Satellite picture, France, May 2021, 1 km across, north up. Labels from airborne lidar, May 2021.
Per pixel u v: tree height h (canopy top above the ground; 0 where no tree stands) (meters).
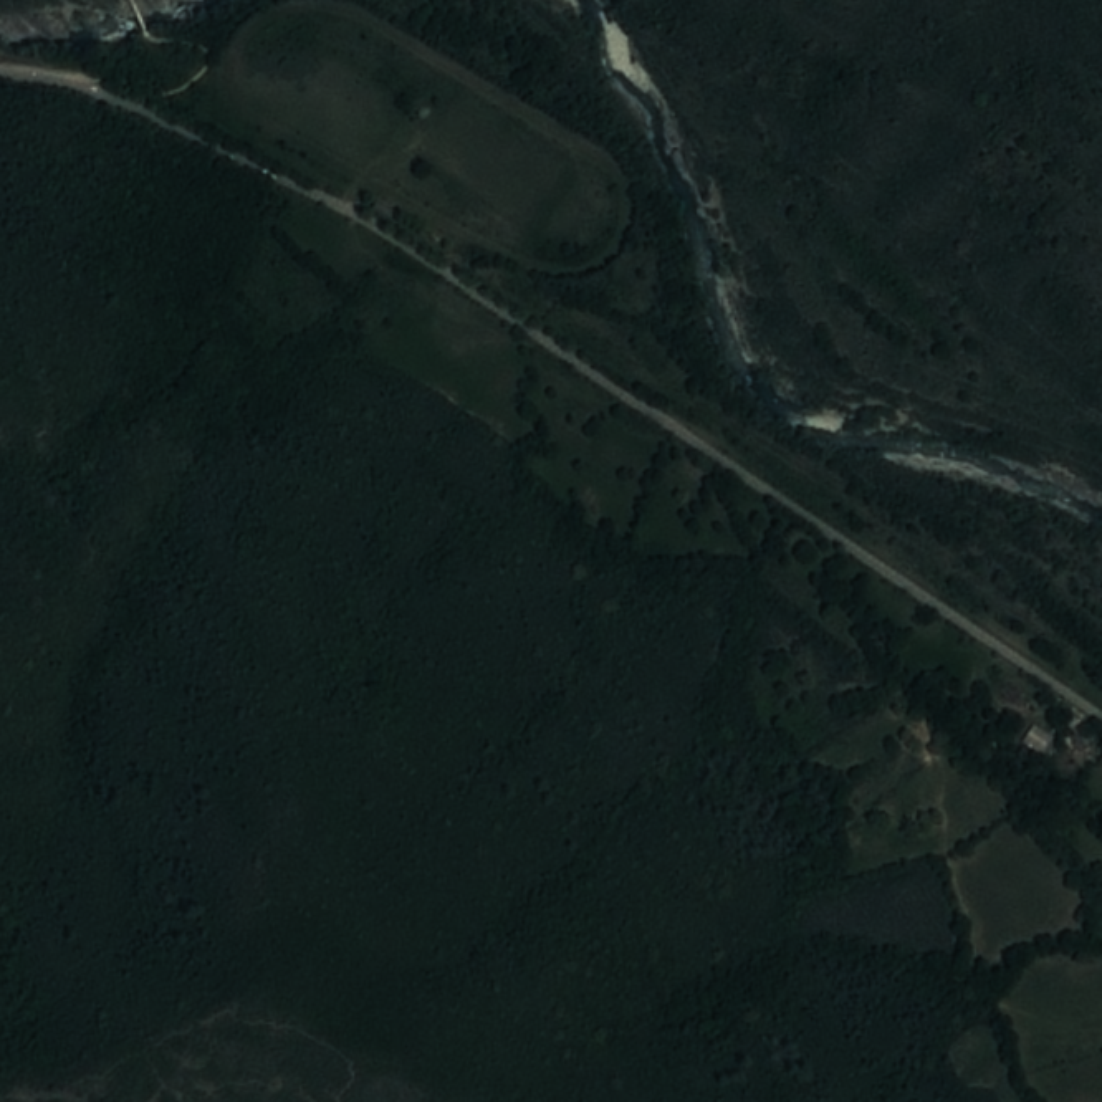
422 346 0
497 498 8
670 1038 9
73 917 7
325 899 6
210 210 13
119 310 7
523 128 0
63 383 6
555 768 7
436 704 7
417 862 8
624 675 12
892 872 11
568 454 0
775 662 19
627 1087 6
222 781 7
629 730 10
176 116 14
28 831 12
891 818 11
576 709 7
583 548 14
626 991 7
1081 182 9
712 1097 7
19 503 7
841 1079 6
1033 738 0
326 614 8
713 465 8
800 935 7
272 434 12
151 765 7
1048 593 9
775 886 8
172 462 6
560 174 0
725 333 0
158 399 17
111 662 11
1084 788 12
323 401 9
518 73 13
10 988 12
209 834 7
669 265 15
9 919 13
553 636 6
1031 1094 12
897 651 10
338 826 6
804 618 11
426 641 9
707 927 6
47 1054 10
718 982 17
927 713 11
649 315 8
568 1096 7
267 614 6
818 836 15
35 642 7
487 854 6
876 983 13
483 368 0
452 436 11
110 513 7
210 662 6
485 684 7
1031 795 9
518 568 7
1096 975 0
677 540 0
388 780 5
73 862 6
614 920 12
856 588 14
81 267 9
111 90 11
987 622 0
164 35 6
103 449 9
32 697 6
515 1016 6
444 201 0
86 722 14
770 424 14
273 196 10
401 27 13
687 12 8
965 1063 0
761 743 9
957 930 16
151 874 10
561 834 7
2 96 16
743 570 11
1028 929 0
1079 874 11
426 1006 6
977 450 7
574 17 10
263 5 6
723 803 9
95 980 7
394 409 8
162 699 8
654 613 16
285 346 12
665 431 5
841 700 17
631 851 8
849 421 11
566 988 7
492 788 7
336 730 6
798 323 7
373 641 10
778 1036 6
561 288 9
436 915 6
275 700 7
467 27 10
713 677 15
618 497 0
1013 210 10
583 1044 8
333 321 8
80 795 6
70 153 14
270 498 9
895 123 10
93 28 0
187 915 22
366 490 8
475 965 8
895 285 8
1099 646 7
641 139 9
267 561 7
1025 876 0
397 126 0
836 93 6
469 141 0
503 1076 6
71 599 6
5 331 6
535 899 13
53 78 0
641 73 0
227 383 10
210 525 6
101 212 12
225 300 12
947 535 11
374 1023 5
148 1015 6
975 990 16
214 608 8
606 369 11
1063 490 0
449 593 6
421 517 8
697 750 18
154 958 7
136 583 11
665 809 11
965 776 8
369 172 0
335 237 0
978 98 12
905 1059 15
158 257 14
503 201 0
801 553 19
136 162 11
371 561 9
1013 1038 15
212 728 6
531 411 19
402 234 20
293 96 0
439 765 7
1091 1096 0
